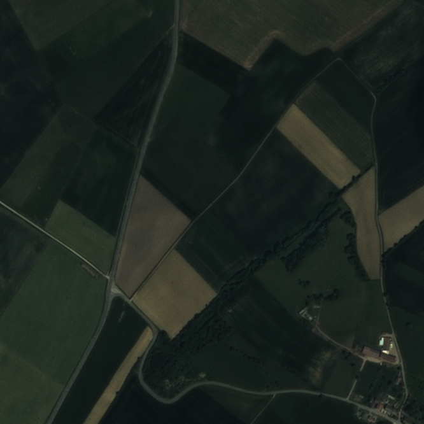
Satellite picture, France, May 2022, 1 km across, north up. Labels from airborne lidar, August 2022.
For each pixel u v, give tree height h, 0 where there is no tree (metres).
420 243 0
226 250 0
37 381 0
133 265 0
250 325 0
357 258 11
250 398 0
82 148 0
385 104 0
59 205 0
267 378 0
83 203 0
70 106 0
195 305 0
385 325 0
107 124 0
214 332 9
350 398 0
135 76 0
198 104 0
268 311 0
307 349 0
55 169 0
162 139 0
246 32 0
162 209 0
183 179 0
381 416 0
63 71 0
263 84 0
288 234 0
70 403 0
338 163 0
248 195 0
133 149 0
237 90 0
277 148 0
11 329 0
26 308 0
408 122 0
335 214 6
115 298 0
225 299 8
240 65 0
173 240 0
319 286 0
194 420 0
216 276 0
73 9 0
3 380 0
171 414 0
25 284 0
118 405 0
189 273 0
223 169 0
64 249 0
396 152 0
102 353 0
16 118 0
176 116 0
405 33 0
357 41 0
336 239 0
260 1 0
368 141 0
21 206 0
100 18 0
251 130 0
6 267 0
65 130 0
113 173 0
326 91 0
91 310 0
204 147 0
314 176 0
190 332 7
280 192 0
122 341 0
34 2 0
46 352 0
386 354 0
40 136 0
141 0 0
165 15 0
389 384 10
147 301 0
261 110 0
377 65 0
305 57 0
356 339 0
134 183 0
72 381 0
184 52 0
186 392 0
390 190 0
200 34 0
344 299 0
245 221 0
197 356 0
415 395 0
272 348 0
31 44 0
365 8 0
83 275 0
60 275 0
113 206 0
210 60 0
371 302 0
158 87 0
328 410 0
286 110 0
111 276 0
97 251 0
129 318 0
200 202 0
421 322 0
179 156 0
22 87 0
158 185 0
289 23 0
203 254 0
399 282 0
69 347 0
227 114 0
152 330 0
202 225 0
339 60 0
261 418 0
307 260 0
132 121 0
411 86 0
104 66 0
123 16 0
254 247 0
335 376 0
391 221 0
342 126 0
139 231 0
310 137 0
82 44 0
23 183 0
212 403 0
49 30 0
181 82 0
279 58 0
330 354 0
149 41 0
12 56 0
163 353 7
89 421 0
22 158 0
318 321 0
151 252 0
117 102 0
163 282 0
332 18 0
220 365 0
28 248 0
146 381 6
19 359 0
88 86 0
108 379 0
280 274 0
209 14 0
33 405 0
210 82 0
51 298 0
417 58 0
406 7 0
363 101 0
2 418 0
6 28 0
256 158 0
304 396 0
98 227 0
